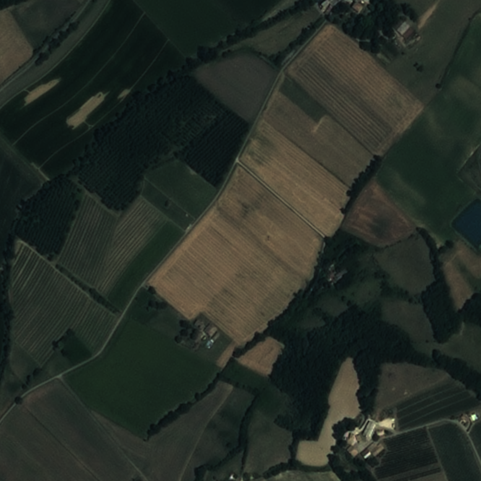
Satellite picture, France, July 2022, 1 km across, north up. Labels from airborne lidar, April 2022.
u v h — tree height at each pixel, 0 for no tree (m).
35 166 0
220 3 0
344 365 0
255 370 0
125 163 24
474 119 0
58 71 0
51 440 0
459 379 14
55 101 0
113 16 0
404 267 0
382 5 26
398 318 0
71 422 0
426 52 0
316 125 0
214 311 0
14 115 0
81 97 0
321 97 0
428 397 0
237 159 0
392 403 0
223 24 0
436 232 0
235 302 0
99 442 0
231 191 0
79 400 0
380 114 0
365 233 0
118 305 0
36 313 0
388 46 0
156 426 13
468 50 0
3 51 0
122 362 0
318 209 0
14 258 19
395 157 0
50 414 0
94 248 0
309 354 14
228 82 0
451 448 0
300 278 0
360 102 0
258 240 0
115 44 0
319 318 0
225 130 18
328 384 16
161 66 0
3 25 0
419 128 0
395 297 0
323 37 0
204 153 19
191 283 0
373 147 0
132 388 0
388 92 0
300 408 7
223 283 0
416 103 0
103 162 21
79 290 0
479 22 0
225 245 0
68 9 0
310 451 0
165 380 0
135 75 0
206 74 0
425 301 18
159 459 0
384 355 19
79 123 0
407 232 0
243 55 0
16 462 0
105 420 0
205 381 0
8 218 0
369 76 0
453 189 0
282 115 0
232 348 0
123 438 0
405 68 0
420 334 0
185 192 0
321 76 0
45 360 0
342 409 0
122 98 0
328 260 12
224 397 0
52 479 0
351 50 0
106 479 0
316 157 0
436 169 0
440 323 17
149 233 0
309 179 0
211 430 0
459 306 0
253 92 0
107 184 17
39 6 0
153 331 0
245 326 0
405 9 23
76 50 0
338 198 0
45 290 0
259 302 0
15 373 0
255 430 0
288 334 11
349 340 11
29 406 0
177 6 0
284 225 0
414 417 0
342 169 0
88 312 0
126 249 0
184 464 0
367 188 0
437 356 17
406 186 0
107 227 0
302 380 14
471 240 0
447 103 0
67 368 0
